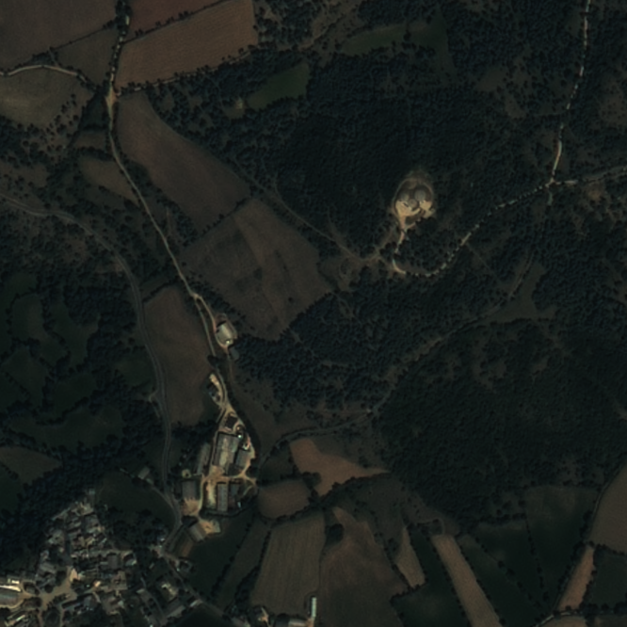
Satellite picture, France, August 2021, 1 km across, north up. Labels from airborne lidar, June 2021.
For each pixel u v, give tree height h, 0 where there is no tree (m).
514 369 8
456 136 15
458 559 0
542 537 0
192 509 0
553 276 14
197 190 0
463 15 18
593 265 13
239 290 0
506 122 7
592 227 12
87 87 10
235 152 12
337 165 8
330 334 15
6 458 0
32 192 9
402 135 8
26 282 0
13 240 11
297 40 10
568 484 9
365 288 13
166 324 0
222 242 0
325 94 17
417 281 10
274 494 0
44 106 0
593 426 11
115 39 0
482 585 11
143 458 14
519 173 12
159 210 0
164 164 0
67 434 0
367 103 15
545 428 9
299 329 15
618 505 0
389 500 0
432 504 12
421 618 0
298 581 0
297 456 0
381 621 0
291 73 0
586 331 12
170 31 0
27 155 10
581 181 8
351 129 13
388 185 9
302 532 0
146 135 0
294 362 13
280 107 15
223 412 0
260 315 0
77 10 0
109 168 0
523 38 11
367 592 0
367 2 8
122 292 8
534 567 0
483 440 14
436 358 6
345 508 0
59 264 12
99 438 0
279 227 0
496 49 15
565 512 0
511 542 0
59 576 10
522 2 17
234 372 0
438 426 13
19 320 0
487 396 8
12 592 0
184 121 8
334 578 0
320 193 6
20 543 13
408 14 19
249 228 0
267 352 13
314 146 9
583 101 7
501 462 9
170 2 0
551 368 7
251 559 0
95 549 0
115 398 18
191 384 0
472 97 8
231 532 0
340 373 10
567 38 10
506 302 9
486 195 16
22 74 0
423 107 11
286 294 0
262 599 0
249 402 0
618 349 9
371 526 0
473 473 8
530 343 12
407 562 0
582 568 0
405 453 9
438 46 0
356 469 0
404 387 10
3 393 0
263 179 9
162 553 0
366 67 9
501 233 6
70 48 0
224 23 0
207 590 0
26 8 0
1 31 0
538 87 11
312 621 0
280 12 8
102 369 15
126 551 0
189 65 0
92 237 8
